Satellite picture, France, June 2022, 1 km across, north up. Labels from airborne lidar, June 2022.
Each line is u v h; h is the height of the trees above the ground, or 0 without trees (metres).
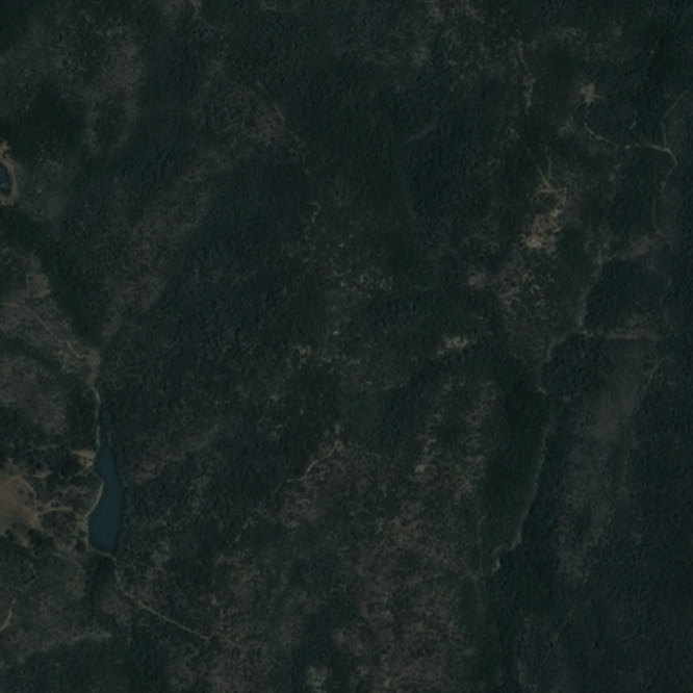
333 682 7
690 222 10
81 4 6
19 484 0
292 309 6
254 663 10
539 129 14
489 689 7
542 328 9
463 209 6
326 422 8
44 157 7
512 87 7
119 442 9
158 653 7
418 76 8
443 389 10
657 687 8
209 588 6
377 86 7
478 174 7
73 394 6
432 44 7
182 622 7
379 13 8
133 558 6
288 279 8
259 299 7
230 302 9
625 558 8
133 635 11
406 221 8
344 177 14
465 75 8
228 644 5
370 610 8
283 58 15
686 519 8
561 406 7
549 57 6
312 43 6
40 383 7
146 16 9
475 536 7
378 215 12
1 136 9
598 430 0
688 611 8
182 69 12
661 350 5
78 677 8
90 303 13
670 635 7
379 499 7
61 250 11
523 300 10
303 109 7
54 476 10
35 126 7
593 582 8
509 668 6
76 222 7
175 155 12
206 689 8
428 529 6
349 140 12
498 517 12
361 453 6
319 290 7
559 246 9
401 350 8
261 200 6
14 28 7
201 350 7
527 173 14
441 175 12
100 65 9
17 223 12
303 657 6
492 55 9
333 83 16
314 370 9
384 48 7
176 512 11
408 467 10
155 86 6
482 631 7
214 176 6
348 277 5
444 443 8
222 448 7
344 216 10
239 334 14
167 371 6
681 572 8
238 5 15
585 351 13
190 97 6
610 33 6
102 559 6
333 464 8
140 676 13
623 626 7
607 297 6
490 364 6
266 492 10
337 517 7
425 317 9
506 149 8
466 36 7
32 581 11
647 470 7
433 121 10
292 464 7
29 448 15
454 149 14
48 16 7
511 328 7
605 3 10
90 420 12
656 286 6
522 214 9
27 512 0
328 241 8
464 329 12
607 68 11
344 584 7
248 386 7
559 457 6
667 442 7
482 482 6
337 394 6
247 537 10
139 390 8
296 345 16
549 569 8
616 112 16
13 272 6
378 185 10
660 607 10
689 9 14
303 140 8
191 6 6
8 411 9
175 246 6
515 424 10
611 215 9
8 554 10
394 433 9
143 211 6
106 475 0
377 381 9
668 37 11
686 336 10
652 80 11
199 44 7
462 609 7
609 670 10
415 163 8
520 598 10
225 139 6
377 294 6
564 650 6
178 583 10
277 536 7
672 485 8
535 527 15
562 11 14
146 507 12
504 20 9
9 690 9
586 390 7
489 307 10
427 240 6
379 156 19
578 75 5
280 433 7
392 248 11
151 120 8
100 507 0
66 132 10
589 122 11
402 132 7
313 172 6
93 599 10
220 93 10
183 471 9
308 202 8
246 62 9
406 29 5
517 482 12
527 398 13
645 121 13
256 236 7
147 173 9
